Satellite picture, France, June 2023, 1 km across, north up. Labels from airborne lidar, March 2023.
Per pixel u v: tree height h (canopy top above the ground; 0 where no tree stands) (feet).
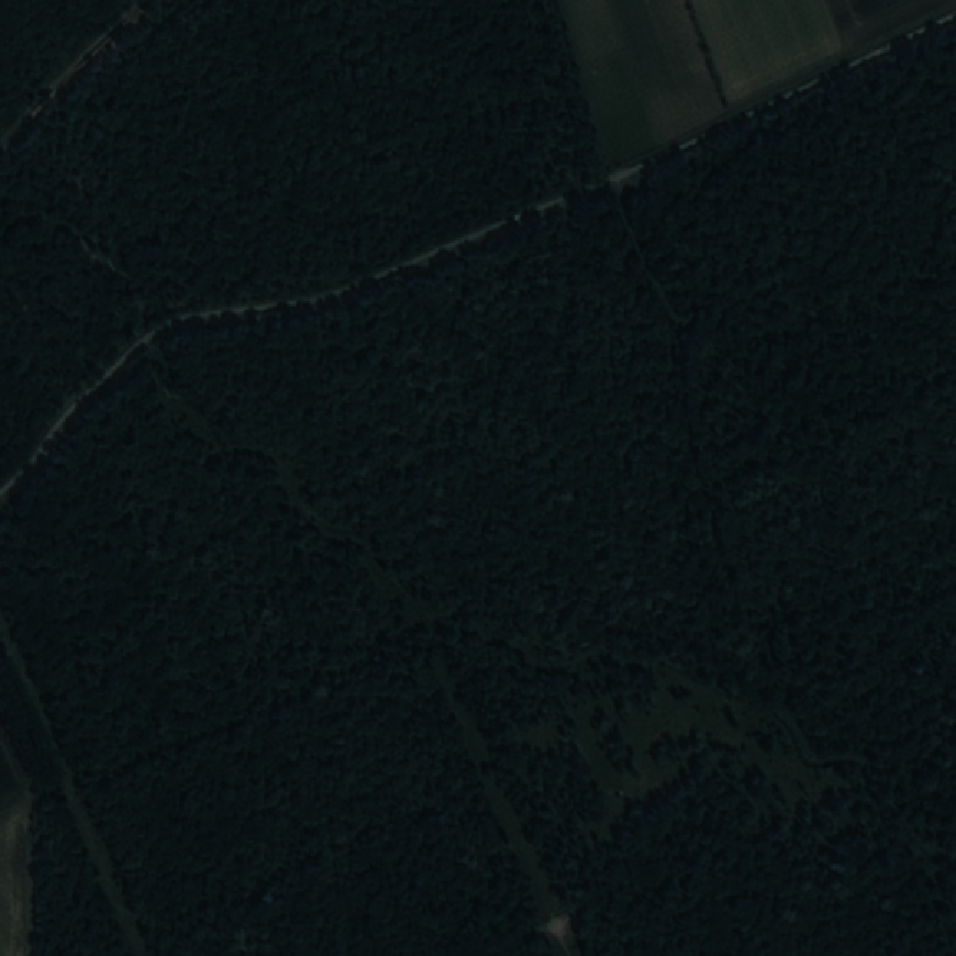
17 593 58
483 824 88
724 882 79
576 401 76
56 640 73
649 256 61
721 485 82
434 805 49
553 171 58
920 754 56
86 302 80
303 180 85
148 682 73
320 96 82
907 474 80
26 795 0
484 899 74
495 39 76
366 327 80
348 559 76
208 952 76
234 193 63
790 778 0
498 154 72
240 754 74
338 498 75
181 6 67
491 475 66
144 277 86
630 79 0
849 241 85
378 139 67
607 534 70
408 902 63
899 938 65
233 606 72
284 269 69
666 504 90
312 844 60
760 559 85
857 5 0
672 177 82
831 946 79
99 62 58
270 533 73
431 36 55
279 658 75
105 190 67
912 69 71
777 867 76
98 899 73
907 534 74
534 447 52
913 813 81
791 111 75
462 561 78
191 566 48
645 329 79
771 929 74
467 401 70
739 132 63
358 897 76
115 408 70
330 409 69
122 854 68
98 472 81
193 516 74
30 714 110
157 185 72
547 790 80
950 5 0
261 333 65
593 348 75
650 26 0
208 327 69
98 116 56
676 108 0
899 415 71
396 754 58
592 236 73
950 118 79
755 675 54
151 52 61
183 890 80
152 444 75
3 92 68
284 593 79
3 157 68
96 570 73
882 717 84
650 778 0
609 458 77
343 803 69
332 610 59
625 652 97
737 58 0
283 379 65
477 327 61
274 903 70
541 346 83
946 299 66
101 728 68
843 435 83
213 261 66
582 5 0
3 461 98
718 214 82
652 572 80
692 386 107
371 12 73
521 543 84
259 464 36
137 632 84
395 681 73
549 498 62
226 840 70
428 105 85
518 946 73
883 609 72
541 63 77
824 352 68
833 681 79
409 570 76
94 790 61
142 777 61
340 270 63
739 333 92
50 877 63
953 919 61
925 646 61
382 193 66
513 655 53
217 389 80
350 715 59
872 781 80
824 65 0
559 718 59
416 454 57
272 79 74
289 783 56
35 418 74
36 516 80
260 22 81
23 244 75
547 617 82
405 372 52
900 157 83
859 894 84
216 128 78
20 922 0
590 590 74
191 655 91
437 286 77
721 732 0
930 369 60
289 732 71
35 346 71
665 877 51
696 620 85
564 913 0
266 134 63
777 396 65
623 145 0
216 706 91
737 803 71
